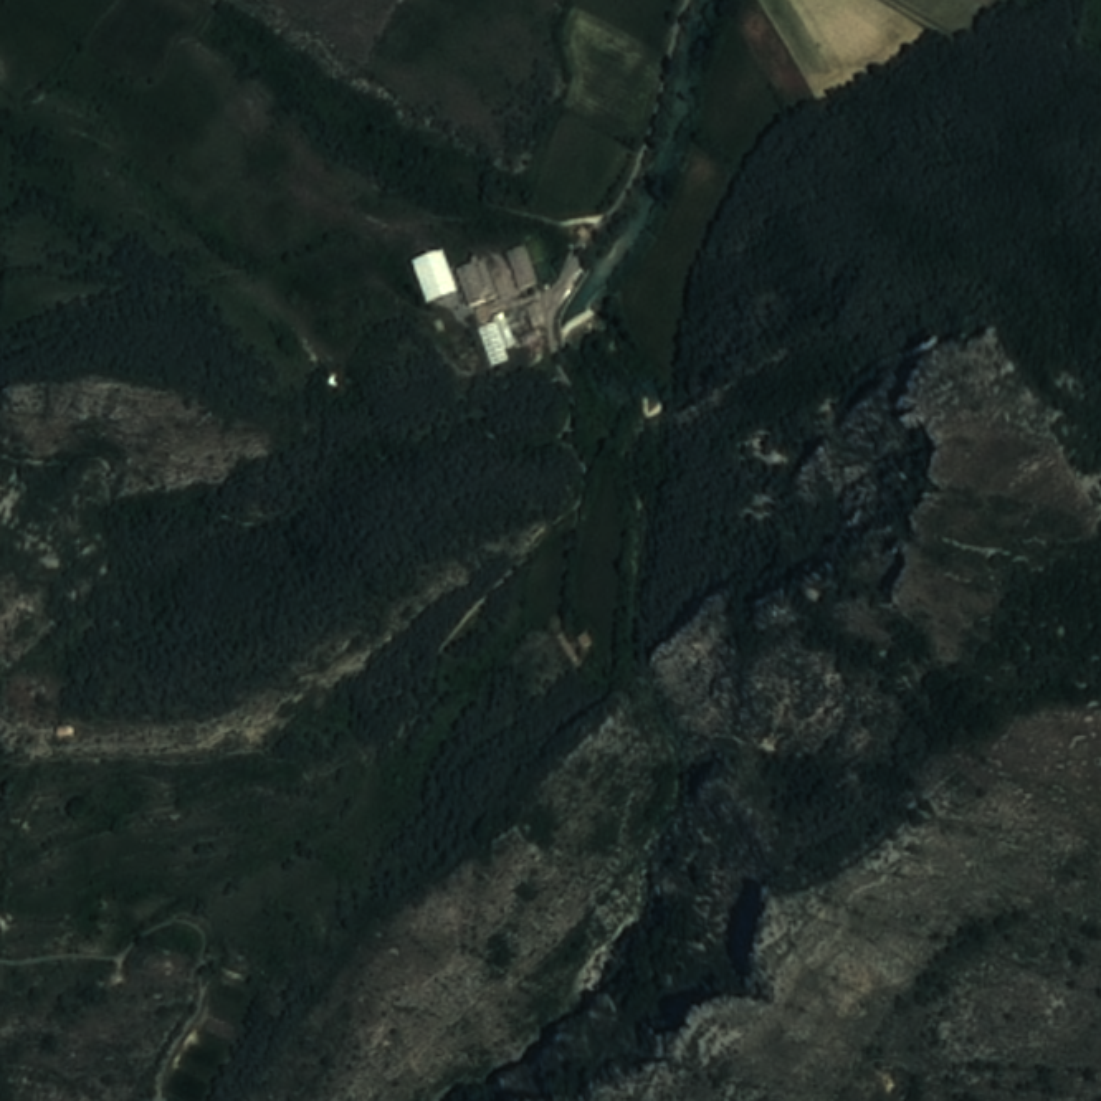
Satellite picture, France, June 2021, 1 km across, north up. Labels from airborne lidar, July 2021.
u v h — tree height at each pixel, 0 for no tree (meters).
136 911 0
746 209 8
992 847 0
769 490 10
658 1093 0
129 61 0
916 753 9
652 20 0
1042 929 0
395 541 10
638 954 16
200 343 16
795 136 15
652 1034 6
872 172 14
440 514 8
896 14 0
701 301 14
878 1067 6
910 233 10
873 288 14
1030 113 12
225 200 0
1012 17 17
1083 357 10
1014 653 8
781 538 9
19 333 10
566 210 0
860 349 13
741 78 0
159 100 0
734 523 9
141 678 8
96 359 13
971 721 15
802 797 10
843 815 12
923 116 7
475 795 10
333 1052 0
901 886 0
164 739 0
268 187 0
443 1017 0
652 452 12
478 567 8
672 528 17
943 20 0
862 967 0
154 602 14
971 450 0
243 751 0
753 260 10
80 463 7
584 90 0
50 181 0
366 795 0
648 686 7
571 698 15
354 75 0
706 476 11
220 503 16
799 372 14
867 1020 0
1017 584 8
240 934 0
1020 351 9
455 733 8
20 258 0
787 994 0
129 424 0
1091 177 11
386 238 0
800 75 0
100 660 12
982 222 7
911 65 16
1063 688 11
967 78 9
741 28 0
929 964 5
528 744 13
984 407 0
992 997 0
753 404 15
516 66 0
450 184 5
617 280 8
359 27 0
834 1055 0
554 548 0
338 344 0
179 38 0
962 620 0
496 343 0
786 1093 0
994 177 9
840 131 16
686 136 6
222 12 8
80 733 0
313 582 9
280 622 9
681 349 14
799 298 13
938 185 7
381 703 9
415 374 7
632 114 0
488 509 8
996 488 0
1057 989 0
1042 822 0
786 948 0
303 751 11
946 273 12
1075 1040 0
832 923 0
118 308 8
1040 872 0
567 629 12
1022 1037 0
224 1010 0
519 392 11
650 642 16
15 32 0
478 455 13
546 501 14
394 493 11
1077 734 0
